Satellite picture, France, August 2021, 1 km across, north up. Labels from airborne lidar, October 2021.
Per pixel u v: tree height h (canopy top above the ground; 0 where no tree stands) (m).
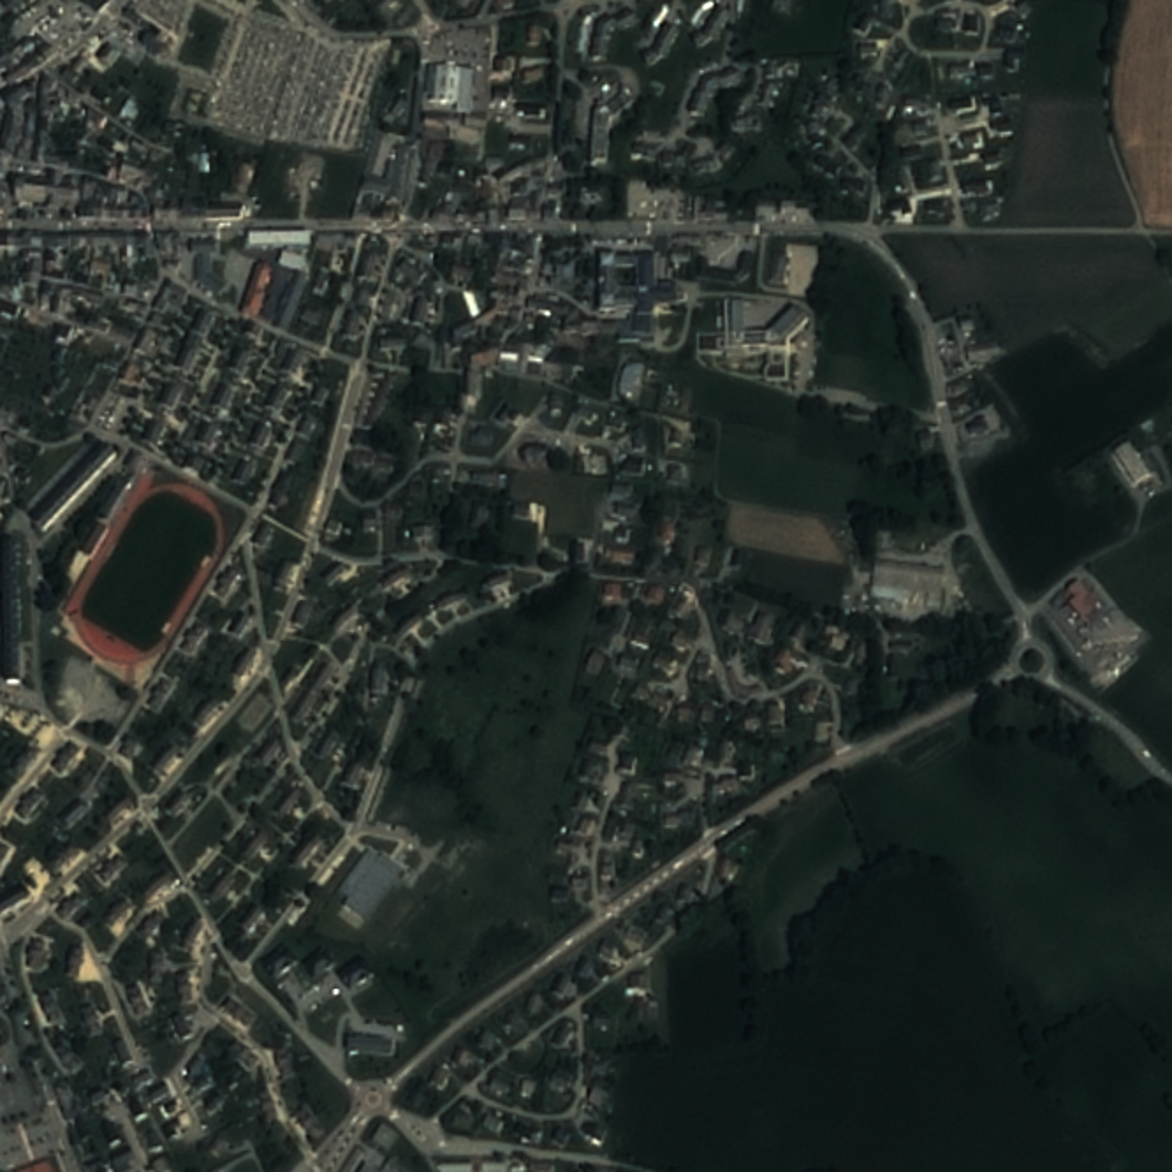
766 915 0
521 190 0
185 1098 0
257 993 0
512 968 0
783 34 0
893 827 0
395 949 0
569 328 0
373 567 0
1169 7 0
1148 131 0
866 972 0
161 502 0
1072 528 0
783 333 0
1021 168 0
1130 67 0
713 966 0
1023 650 0
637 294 0
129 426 7
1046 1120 0
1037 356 0
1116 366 0
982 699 18
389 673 6
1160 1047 16
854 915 0
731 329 0
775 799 0
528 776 0
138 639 0
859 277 0
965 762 0
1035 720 0
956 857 0
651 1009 0
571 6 0
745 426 0
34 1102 0
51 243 0
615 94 0
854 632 17
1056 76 0
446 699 0
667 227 0
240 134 0
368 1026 0
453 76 0
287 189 0
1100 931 0
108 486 8
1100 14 0
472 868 0
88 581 0
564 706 0
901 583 0
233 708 0
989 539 0
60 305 0
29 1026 7
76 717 0
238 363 0
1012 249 0
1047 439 0
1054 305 0
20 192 0
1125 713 0
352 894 0
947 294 0
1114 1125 0
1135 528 0
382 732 0
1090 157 0
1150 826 0
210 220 0
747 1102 0
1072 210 0
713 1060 0
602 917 0
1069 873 0
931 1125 0
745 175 0
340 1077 0
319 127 0
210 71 0
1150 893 0
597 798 9
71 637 0
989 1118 0
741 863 7
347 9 0
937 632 21
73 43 0
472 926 0
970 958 0
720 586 6
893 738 0
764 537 0
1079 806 0
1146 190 0
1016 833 0
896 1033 0
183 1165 0
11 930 0
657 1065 0
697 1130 0
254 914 0
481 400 0
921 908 0
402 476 8
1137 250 0
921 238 0
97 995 0
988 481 0
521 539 0
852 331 0
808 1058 0
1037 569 0
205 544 0
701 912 16
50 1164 0
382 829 0
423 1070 0
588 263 9
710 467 0
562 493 0
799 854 0
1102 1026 0
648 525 8
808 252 0
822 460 0
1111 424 0
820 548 0
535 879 0
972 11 0
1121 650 0
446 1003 0
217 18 0
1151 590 0
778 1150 0
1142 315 0
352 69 0
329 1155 0
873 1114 0
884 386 0
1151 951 0
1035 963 0
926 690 20
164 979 7
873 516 17
